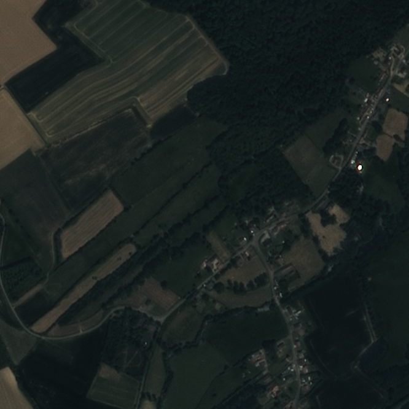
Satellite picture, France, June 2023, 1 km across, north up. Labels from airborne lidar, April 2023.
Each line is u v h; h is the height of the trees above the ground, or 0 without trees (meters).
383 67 0
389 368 0
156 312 0
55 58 0
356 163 9
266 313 0
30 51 0
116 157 0
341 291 0
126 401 0
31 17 0
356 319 0
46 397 0
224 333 0
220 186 18
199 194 0
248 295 0
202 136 0
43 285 0
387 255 0
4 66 0
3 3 0
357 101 0
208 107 19
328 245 0
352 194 15
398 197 0
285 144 7
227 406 17
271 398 0
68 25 0
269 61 26
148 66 0
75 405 0
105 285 14
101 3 0
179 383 0
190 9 25
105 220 0
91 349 0
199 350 0
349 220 0
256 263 0
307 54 20
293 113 29
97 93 0
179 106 0
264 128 13
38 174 0
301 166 0
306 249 0
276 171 14
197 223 0
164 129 0
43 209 0
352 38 18
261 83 20
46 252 0
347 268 0
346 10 15
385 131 0
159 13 0
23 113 0
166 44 0
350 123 0
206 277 0
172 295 0
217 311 0
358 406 0
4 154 0
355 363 0
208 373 0
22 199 0
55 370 0
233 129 15
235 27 27
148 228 0
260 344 0
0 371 0
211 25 17
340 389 0
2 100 0
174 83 0
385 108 0
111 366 6
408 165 13
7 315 0
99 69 0
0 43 0
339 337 0
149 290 0
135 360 0
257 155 10
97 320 0
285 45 30
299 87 17
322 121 0
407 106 0
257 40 27
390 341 0
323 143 0
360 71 0
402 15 7
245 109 23
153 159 0
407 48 0
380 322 0
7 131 0
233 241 0
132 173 0
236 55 21
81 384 0
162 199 0
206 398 0
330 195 15
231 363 0
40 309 0
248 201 17
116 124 0
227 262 0
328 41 18
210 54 0
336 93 29
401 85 0
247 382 7
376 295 0
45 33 0
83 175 0
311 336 0
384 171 0
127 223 0
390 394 10
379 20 21
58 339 0
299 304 0
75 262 0
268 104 25
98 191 0
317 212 0
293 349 0
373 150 13
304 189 15
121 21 0
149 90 0
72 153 0
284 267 0
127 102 0
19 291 0
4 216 0
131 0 0
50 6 0
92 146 0
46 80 0
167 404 0
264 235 0
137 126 0
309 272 0
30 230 0
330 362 0
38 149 0
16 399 0
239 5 31
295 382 0
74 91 0
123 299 0
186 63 0
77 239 0
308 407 0
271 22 28
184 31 0
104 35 0
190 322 0
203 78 0
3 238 0
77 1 0
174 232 18
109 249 0
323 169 0
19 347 0
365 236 34
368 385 0
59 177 0
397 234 0
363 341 0
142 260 18
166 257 26
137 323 10
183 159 0
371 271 0
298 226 0
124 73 0
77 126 0
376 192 0
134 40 0
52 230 0
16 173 0
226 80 22
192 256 0
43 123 0
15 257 0
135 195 0
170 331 0
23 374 0
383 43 11
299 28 30
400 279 0
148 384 0
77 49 0
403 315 0
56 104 0
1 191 0
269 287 0
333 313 0
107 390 0
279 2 31
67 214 0
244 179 0
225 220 0
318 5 29
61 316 7
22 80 0
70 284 0
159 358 0
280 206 15
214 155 5
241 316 0
